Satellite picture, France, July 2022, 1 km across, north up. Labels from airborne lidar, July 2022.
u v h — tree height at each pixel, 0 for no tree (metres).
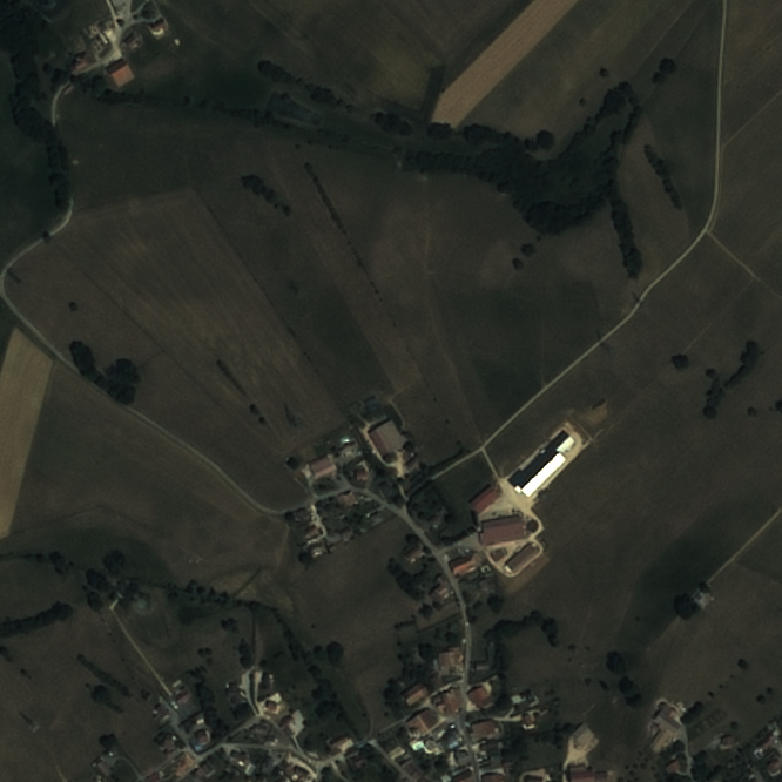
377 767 0
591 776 0
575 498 0
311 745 10
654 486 0
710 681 0
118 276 0
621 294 0
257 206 0
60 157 22
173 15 0
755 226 0
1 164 0
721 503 0
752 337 0
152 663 0
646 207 0
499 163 7
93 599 10
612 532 0
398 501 14
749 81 0
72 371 0
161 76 0
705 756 14
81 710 0
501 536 0
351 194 0
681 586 0
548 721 0
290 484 0
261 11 0
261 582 0
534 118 0
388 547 0
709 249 0
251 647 6
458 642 9
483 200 0
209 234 0
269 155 0
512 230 0
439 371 0
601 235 0
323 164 0
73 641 0
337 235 0
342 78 0
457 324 0
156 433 0
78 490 0
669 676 0
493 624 0
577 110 0
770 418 0
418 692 0
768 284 0
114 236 0
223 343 0
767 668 0
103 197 0
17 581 0
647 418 0
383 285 0
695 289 0
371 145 0
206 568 0
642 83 0
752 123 0
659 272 0
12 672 0
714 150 0
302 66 0
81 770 0
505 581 0
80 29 0
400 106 0
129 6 0
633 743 0
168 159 0
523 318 0
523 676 0
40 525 0
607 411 0
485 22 0
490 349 0
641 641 0
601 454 0
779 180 0
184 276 0
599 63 0
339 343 0
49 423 0
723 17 0
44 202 0
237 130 0
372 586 0
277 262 0
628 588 0
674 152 0
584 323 0
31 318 0
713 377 12
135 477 0
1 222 0
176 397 0
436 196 0
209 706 13
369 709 0
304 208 0
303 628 0
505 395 0
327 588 0
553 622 14
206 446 0
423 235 0
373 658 0
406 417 0
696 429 0
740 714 0
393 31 0
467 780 0
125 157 0
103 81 14
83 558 0
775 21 0
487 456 0
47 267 0
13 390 0
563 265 0
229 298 0
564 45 0
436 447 0
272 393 0
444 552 0
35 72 9
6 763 0
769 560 0
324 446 0
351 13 0
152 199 0
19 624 10
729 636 0
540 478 0
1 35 23
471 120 0
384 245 0
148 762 0
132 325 0
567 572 0
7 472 0
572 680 0
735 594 0
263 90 0
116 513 0
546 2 0
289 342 0
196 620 0
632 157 0
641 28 0
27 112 26
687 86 0
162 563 0
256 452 0
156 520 0
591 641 0
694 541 0
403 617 0
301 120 0
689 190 0
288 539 0
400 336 0
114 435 0
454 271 0
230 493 0
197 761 0
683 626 0
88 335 0
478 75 0
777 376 0
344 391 0
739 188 0
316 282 0
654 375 0
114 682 8
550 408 0
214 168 0
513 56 0
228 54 0
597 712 0
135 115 0
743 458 0
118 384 24
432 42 0
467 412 0
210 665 6
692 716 14
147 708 0
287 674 0
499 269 0
